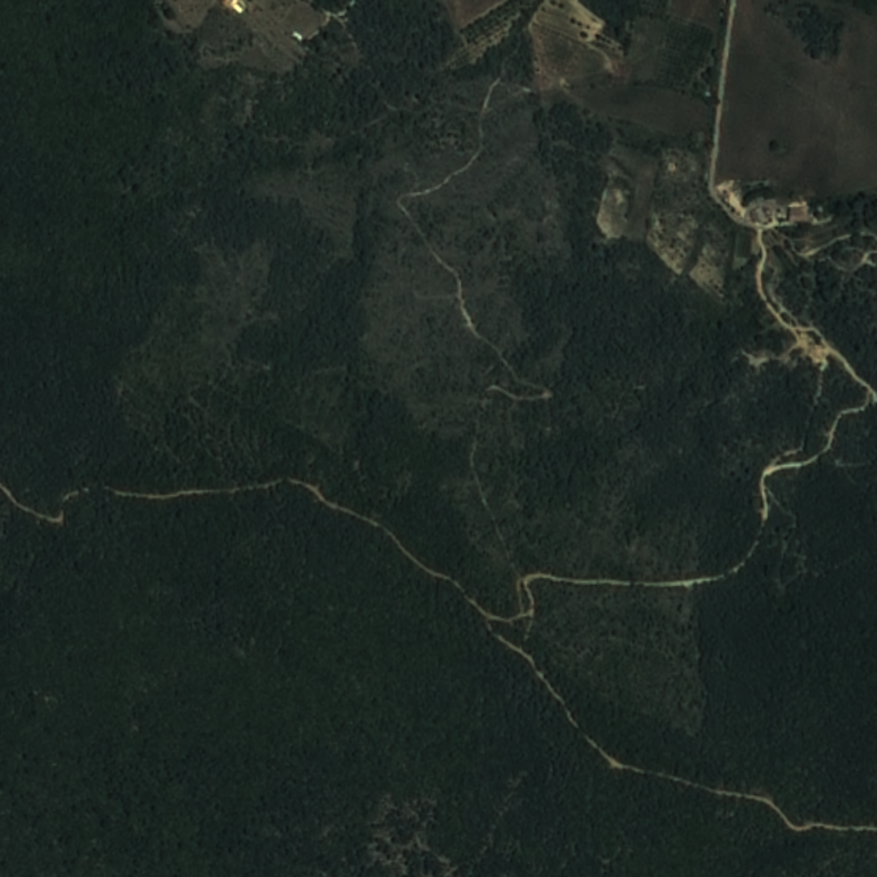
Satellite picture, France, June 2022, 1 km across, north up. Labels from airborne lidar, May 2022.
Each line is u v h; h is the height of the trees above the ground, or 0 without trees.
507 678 11
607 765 7
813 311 5
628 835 7
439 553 7
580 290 11
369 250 10
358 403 7
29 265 7
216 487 7
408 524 9
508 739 8
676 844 6
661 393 10
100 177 9
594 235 6
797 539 6
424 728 6
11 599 11
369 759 8
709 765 8
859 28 0
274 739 9
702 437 9
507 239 7
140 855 8
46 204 11
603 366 9
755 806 6
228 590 6
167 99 15
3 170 9
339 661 9
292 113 9
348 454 6
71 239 10
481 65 7
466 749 6
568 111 6
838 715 6
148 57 9
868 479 9
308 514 14
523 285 8
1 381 12
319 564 7
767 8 6
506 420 7
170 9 9
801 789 6
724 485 6
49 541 9
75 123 8
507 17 6
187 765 10
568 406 11
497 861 9
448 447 6
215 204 6
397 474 6
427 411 0
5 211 8
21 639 6
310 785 6
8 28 9
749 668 7
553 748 8
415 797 7
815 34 7
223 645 7
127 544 6
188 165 6
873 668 8
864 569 7
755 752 7
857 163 0
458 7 0
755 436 6
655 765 6
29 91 9
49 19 18
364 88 6
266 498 9
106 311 13
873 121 0
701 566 7
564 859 6
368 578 7
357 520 9
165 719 6
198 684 5
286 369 8
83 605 6
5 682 7
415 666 6
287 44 0
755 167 0
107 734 6
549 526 6
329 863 11
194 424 6
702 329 9
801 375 6
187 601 10
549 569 6
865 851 8
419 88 11
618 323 14
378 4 9
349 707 6
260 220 7
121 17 10
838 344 6
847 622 7
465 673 9
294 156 9
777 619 7
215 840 8
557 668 7
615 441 11
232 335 0
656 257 6
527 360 11
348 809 9
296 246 7
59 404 11
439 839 9
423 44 9
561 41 0
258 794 6
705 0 0
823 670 7
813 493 7
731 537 9
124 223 9
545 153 8
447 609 10
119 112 10
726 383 7
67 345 9
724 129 0
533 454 9
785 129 0
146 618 6
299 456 8
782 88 0
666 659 6
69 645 6
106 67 15
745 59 0
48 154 8
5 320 9
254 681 6
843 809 7
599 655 8
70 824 5
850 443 6
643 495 8
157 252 9
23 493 7
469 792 8
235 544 6
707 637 9
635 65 0
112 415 9
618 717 9
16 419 10
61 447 10
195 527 6
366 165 8
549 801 7
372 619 6
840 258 13
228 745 6
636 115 0
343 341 10
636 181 0
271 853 8
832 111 0
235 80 9
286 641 6
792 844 9
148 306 10
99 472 7
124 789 9
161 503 8
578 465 12
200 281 9
